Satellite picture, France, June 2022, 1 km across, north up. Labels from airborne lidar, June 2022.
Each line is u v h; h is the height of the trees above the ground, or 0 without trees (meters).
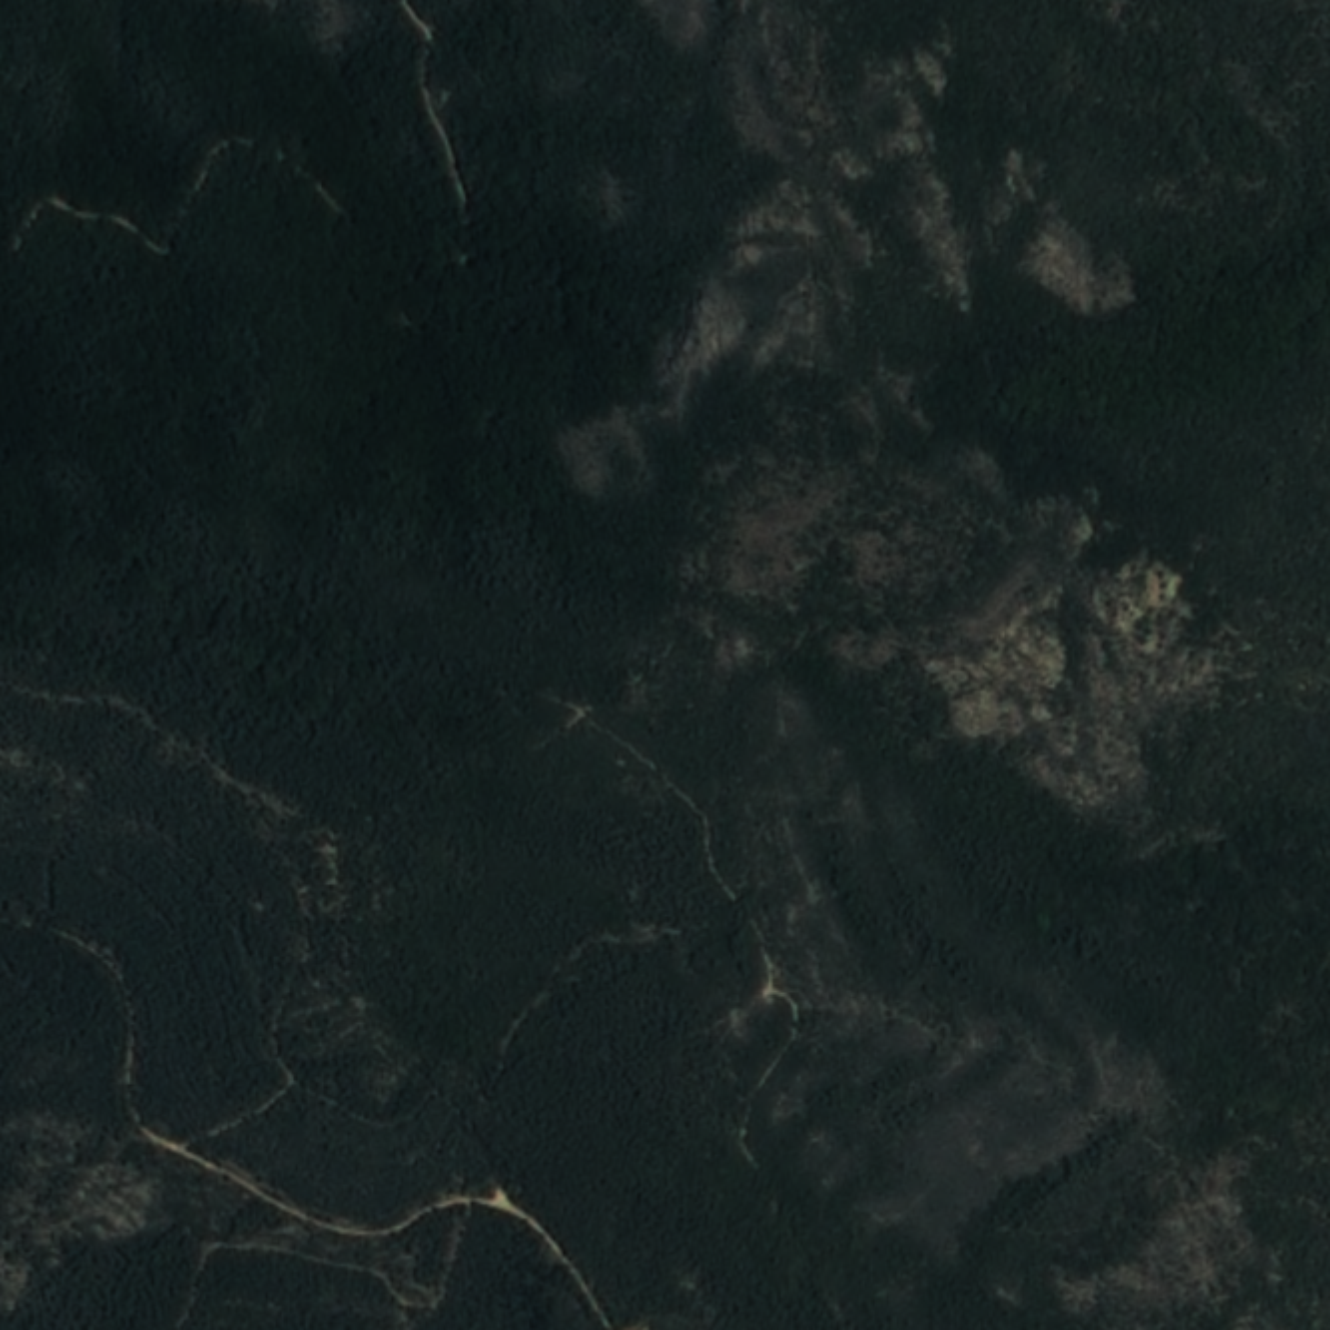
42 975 11
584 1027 13
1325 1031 10
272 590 15
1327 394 6
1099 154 15
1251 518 12
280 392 8
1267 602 7
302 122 17
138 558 13
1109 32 7
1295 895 7
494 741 9
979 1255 8
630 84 9
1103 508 7
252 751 12
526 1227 7
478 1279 10
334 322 16
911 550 5
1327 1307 8
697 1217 10
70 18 6
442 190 10
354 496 8
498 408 15
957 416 10
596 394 9
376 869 11
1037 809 14
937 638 6
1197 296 19
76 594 21
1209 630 7
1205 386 14
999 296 10
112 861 10
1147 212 9
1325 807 9
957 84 8
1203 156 7
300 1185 10
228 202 7
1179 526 10
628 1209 12
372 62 13
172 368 14
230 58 10
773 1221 12
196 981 11
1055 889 9
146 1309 12
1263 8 10
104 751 10
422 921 11
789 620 7
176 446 16
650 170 6
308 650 21
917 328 9
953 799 11
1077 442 11
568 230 12
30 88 8
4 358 20
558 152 10
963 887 7
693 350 0
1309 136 8
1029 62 13
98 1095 9
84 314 18
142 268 16
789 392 6
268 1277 8
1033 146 11
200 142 11
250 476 9
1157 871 8
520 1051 9
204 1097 8
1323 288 9
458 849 13
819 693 5
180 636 10
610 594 11
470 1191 10
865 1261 7
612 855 10
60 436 22
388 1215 8
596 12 11
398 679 15
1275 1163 7
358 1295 7
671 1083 12
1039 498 10
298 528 11
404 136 7
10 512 21
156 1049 8
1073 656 8
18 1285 0
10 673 8
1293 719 6
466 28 11
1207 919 8
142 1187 0
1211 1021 6
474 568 13
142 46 10
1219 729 7
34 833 10
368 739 16
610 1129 15
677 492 7
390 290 21
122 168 21
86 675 12
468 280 13
